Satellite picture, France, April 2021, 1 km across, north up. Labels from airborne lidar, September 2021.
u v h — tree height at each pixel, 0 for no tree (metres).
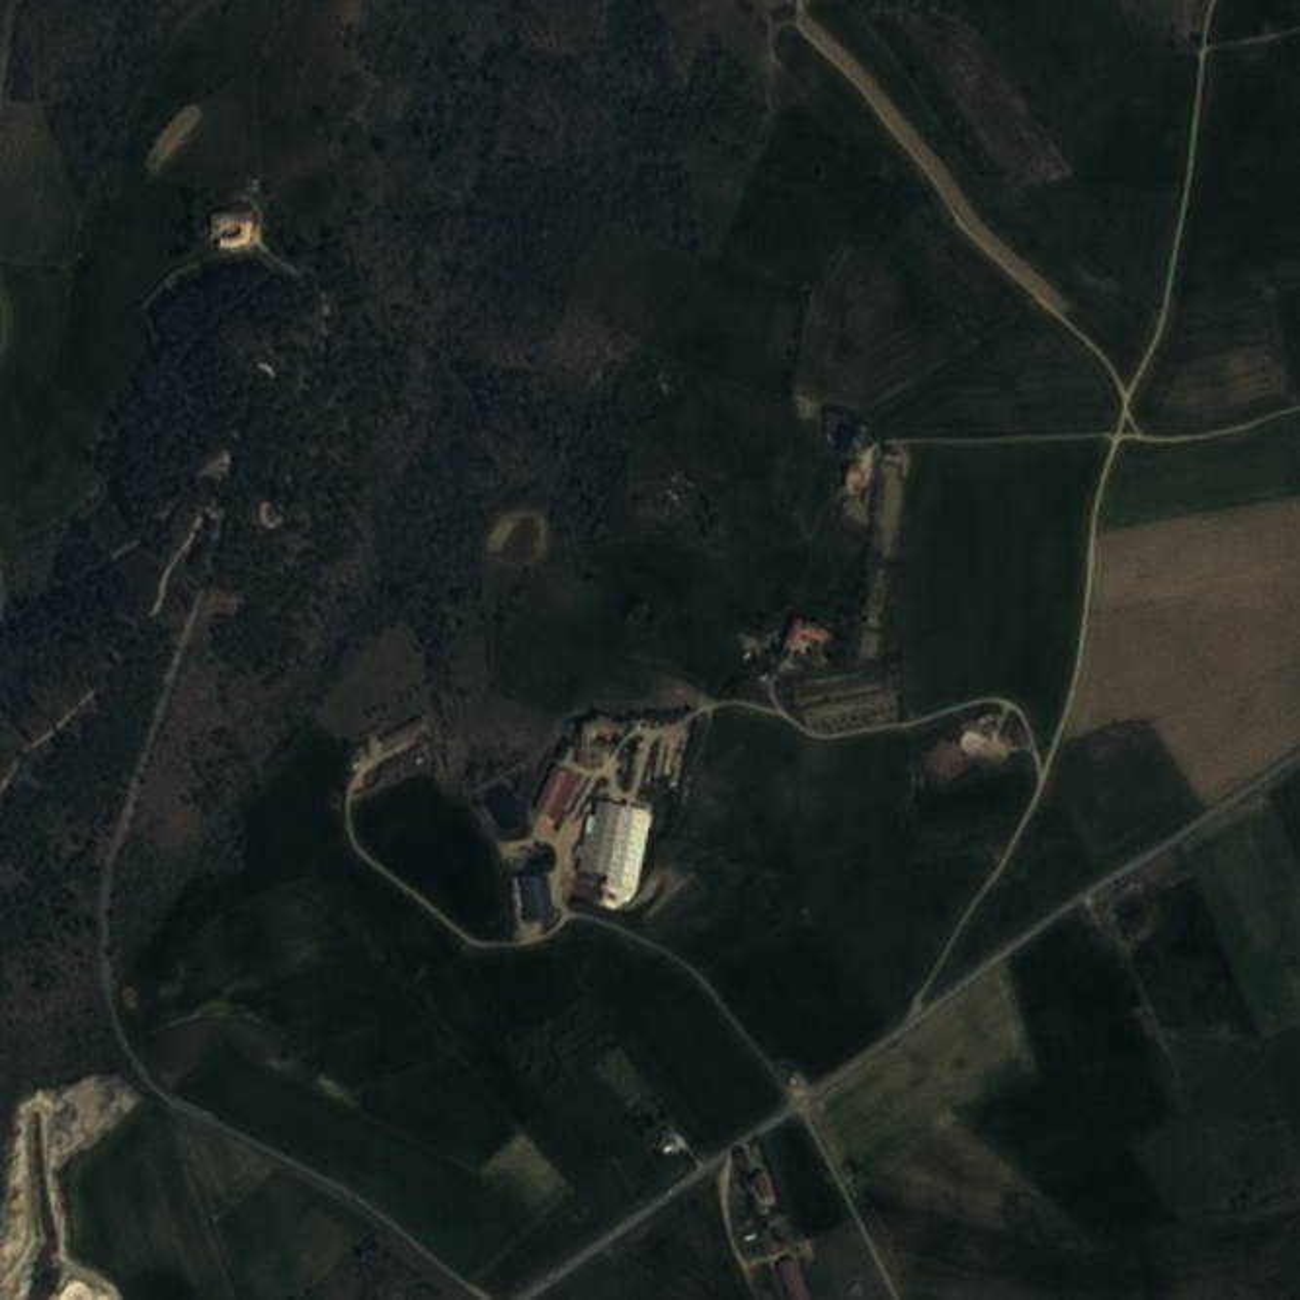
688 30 0
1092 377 0
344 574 10
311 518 6
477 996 0
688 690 0
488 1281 0
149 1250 0
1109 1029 0
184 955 0
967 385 0
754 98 0
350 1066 0
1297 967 0
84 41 12
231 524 11
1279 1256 0
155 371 15
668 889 0
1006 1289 0
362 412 11
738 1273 0
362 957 0
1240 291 0
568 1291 0
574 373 8
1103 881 0
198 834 10
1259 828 0
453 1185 0
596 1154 0
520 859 0
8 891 11
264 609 13
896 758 0
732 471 0
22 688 13
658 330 0
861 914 0
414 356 11
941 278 0
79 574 15
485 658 0
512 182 9
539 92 14
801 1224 0
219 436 14
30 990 8
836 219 0
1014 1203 0
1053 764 0
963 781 0
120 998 0
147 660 12
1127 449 0
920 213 0
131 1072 12
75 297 0
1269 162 0
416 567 11
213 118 0
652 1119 8
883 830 0
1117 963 0
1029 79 0
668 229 11
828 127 0
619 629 0
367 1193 0
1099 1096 0
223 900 0
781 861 0
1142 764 0
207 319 18
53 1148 0
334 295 8
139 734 9
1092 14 0
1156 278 0
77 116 8
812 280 0
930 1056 0
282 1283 0
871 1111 0
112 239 0
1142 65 0
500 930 0
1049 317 0
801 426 0
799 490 0
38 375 0
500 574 0
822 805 0
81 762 14
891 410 0
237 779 14
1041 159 0
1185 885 0
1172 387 0
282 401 10
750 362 0
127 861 7
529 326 6
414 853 0
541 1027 6
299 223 9
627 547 0
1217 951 0
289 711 19
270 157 0
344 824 0
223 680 10
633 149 12
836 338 0
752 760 0
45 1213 7
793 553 0
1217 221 0
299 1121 0
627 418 0
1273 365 0
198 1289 0
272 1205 0
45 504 0
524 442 6
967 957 0
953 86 0
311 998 0
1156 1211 0
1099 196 0
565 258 6
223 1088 0
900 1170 0
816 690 0
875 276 0
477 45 18
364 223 11
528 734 0
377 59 8
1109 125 0
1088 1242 0
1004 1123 0
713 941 0
